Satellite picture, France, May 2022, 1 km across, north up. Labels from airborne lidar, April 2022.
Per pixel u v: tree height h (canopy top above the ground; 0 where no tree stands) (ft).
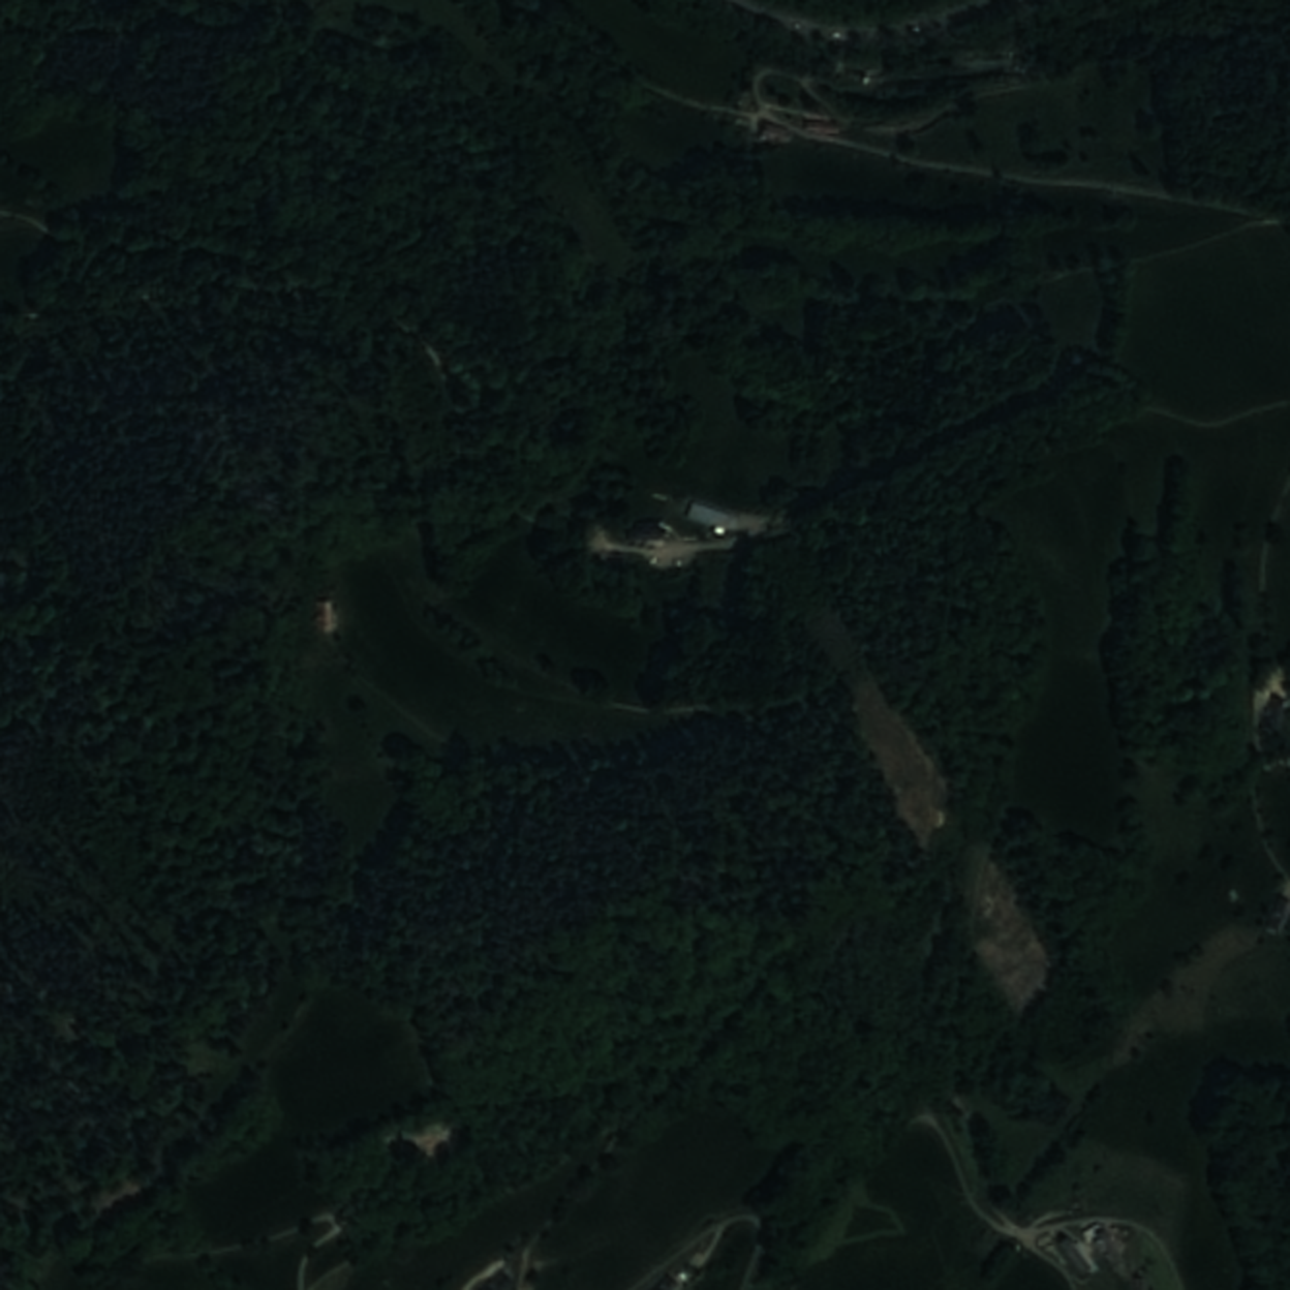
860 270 0
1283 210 66
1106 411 76
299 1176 0
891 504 71
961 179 0
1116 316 45
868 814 110
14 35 76
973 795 90
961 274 62
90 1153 100
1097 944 36
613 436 66
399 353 75
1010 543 75
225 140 75
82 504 93
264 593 21
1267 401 0
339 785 0
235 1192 0
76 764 23
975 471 57
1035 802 0
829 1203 75
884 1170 0
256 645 86
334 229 88
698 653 71
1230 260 0
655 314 23
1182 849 0
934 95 31
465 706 0
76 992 93
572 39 69
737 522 0
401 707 0
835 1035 79
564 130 28
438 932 69
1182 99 84
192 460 93
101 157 0
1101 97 0
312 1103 0
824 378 77
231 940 46
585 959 72
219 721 83
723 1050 71
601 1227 0
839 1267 0
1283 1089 86
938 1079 71
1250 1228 94
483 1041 68
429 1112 68
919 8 99
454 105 105
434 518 94
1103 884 89
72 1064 98
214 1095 0
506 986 72
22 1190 53
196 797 83
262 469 22
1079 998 33
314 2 0
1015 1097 84
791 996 94
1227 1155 111
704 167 84
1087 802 0
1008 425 67
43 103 73
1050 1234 0
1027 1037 41
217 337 85
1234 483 0
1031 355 82
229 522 88
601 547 0
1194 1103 0
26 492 98
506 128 28
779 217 83
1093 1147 0
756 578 53
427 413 20
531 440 90
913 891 64
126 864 25
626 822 87
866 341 26
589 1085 56
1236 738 95
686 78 0
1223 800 35
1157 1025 0
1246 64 89
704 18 77
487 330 115
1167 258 0
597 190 33
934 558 65
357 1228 68
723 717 0
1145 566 90
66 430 90
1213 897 0
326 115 77
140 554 82
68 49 88
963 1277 0
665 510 0
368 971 54
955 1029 49
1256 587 0
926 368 28
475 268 113
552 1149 66
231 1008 106
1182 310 0
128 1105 95
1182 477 77
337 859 73
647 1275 0
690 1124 0
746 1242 0
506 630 0
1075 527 0
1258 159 76
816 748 58
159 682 73
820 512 62
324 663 0
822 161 0
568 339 94
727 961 36
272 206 85
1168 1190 0
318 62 77
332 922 76
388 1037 0
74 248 73
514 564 0
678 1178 0
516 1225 0
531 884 88
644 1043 59
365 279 96
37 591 73
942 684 81
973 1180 0
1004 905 0
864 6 76
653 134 0
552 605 0
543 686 0
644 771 93
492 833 67
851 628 46
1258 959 0
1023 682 86
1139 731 77
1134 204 0
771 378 71
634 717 0
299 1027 0
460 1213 64
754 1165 0
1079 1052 47
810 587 20
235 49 91
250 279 91
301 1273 0
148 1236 66
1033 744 0
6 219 0
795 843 97
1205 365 0
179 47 105
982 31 73
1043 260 0
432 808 91
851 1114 78
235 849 95
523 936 89
